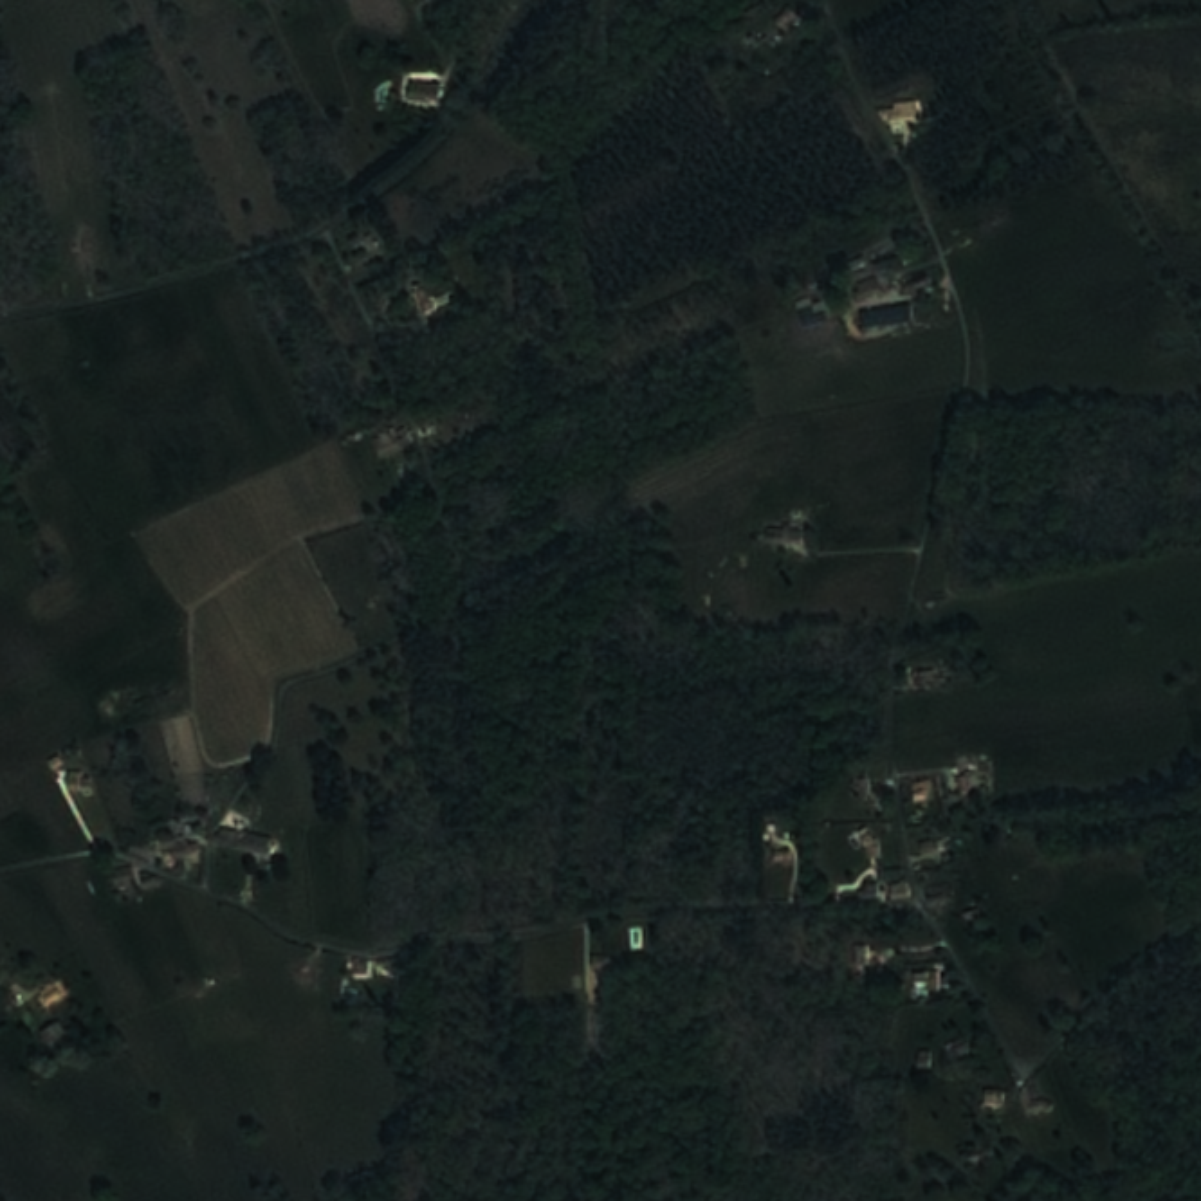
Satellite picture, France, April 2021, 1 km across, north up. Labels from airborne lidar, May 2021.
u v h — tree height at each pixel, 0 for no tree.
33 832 0
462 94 16
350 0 0
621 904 15
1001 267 0
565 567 21
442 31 17
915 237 15
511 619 23
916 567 0
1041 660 0
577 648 20
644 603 24
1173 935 9
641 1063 21
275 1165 0
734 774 23
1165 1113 26
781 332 0
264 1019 0
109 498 0
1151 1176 25
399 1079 14
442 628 23
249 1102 0
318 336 15
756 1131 12
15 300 16
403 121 8
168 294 0
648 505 0
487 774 24
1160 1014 10
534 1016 19
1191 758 0
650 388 16
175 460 0
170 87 15
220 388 0
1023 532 21
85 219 0
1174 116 0
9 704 0
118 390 0
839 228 15
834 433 0
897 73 14
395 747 10
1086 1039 14
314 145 15
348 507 0
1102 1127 0
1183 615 0
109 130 14
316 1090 0
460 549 9
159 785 9
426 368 17
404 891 12
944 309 0
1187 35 0
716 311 10
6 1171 0
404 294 14
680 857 15
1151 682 0
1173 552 16
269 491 0
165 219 17
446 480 8
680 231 17
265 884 11
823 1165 10
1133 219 17
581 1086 18
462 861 15
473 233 16
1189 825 21
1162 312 0
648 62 17
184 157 15
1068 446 22
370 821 13
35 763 0
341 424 19
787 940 11
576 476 16
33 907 0
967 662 21
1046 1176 17
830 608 0
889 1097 20
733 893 14
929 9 15
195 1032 0
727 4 24
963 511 19
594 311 19
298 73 0
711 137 12
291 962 0
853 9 0
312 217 13
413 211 9
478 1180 19
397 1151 24
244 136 0
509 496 18
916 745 0
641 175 11
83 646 0
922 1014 0
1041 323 0
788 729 20
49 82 0
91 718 0
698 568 0
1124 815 13
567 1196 19
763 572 0
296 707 0
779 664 14
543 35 23
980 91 14
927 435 0
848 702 23
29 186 11
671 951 8
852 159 15
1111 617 0
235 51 0
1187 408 15
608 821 10
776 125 16
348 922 0
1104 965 0
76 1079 0
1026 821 19
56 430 0
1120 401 14
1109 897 0
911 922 14
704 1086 12
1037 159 14
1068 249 0
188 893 0
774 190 17
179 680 0
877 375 0
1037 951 18
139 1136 0
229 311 0
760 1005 14
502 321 13
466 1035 17
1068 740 0
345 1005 6
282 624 0
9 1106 0
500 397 18
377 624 0
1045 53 10
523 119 19
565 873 13
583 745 8
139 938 0
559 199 17
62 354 0
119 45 11
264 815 0
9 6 0
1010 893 0
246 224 0
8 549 0
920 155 16
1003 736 0
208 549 0
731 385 21
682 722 26
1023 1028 0
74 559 0
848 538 0
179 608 0
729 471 0
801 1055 14
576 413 21
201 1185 0
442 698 20
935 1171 15
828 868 0
